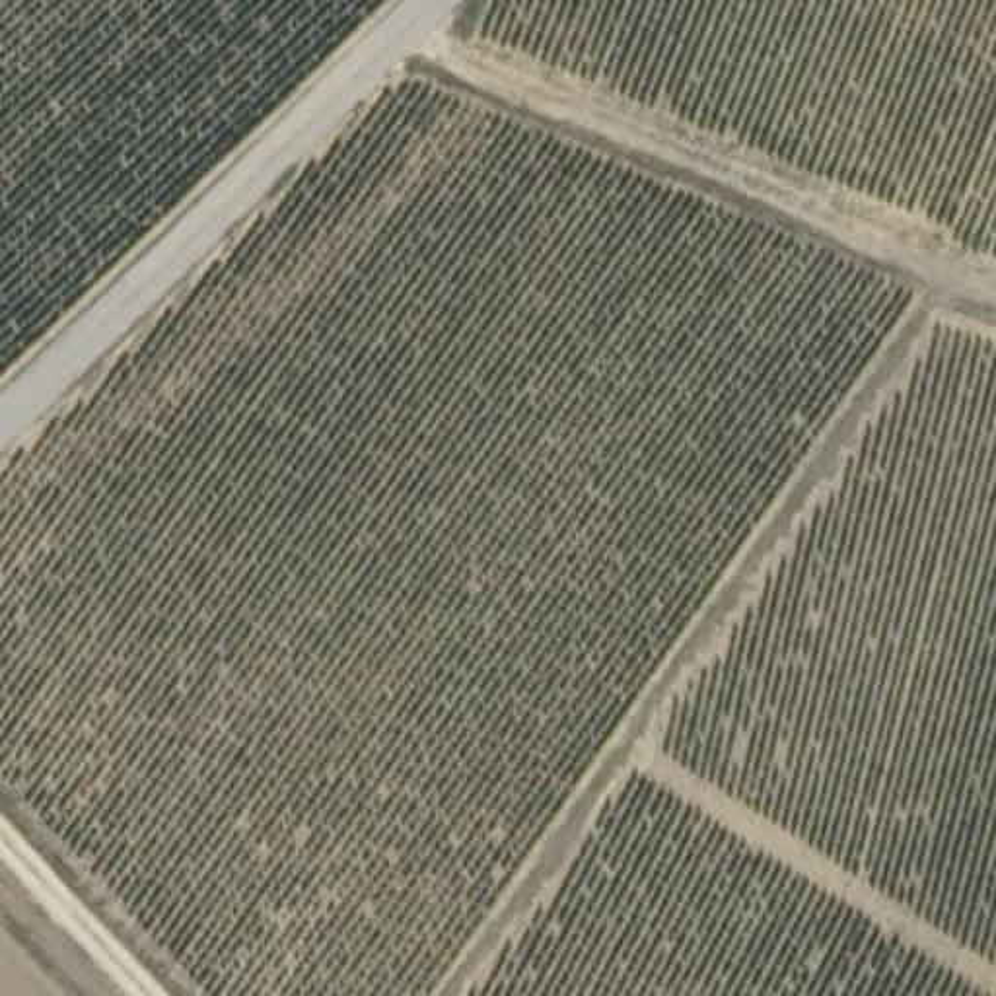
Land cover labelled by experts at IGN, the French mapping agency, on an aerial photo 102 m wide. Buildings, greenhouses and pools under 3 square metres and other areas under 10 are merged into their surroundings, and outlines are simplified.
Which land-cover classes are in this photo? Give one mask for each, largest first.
<instances>
[{"label":"vineyard","instance_id":"1","mask_svg":"<svg viewBox=\"0 0 996 996\"><path fill-rule=\"evenodd\" d=\"M385 0H0V374L35 338H43L58 323V315L70 311L86 296V288L97 284L226 152H233L272 109H280L296 93V86L307 74H315L335 54V47H342L362 27V19H370ZM451 35L459 39L486 35L521 47L533 58L572 70L580 78H607V89H619L642 105L669 97V109L700 128L739 132L751 148H763L794 167L879 195L907 210H926L930 218L945 222L965 249L996 257V0H463L451 23ZM346 136H335L331 148L307 167H284L261 195L257 218L241 214L226 226V261H214L210 268L202 261L191 265L160 296L152 311L132 319L74 381H66L51 409V420L43 424L31 447L0 451V813L51 864L66 891L156 977V996H440L436 973L447 969L459 945L482 922V914L494 907V899L510 887L514 872L572 794L591 755L611 739L646 677L658 669L681 626L689 623V615L712 591L728 560L739 552L743 537L751 533V525L763 517V510L774 502L794 463L809 451V440L825 424V416L848 393L856 374L872 362L875 346L910 300L914 276L895 261L856 253L759 198L739 195L728 183L704 179L689 167L665 163L638 148H623L572 121H552L521 101L486 89L444 70L432 58H409L401 86L381 89L374 105L358 101L350 109ZM661 751L689 766L696 778L712 782L716 790L770 817L774 825L798 833L821 856L836 860L844 872L864 875L887 899L903 903L907 910L953 934L961 945L977 949L984 961L996 965V342L949 327L934 331L930 350L914 366L907 393H895L891 409L875 420V428L864 432L860 455L848 459L840 490L798 533L794 556L782 560L778 572L766 580L759 607L743 615L724 661L708 665L696 677L693 696L673 704L661 739ZM479 996H977L957 973L942 969L922 949L903 945V938L891 934L883 938V930L856 907L821 891L782 860L755 852L704 809L681 801L673 790L638 774L603 809L599 829L584 840L552 903L537 910L521 942L502 945L490 980Z\"/></svg>","mask_w":996,"mask_h":996},{"label":"herbaceous vegetation","instance_id":"2","mask_svg":"<svg viewBox=\"0 0 996 996\"><path fill-rule=\"evenodd\" d=\"M467 62H475L479 74H494L486 89L521 101L552 121H572L623 148H638L665 163L689 167L704 179L728 183L739 195L759 198L856 253L895 261L914 276L910 300L875 346L872 362L856 374L848 393L825 416V424L809 440V451L794 463L774 502L763 510V517L751 525V533L743 537L739 552L728 560L712 591L689 615V623L681 626L658 669L646 677L611 739L591 755L572 794L514 872L510 887L494 899V907L482 914V922L459 945L447 969L436 973L440 996H479L490 980L502 945L521 942L537 910L552 903L584 840L599 829L603 809L638 774L673 790L681 801L704 809L755 852L782 860L821 891L856 907L883 930V938L891 934L903 938V945L922 949L942 969L957 973L977 996H996V965L984 961L977 949L961 945L953 934L907 910L903 903L887 899L864 875L844 872L836 860L821 856L798 833L774 825L770 817L716 790L712 782L696 778L689 766L661 751V739L673 704L693 696L696 677L708 665L724 661L743 615L759 607L766 580L778 572L782 560L794 556L798 533L840 490L848 459L860 455L864 432L875 428V420L891 409L895 393H907L914 366L930 350L934 331L949 327L996 342V257L965 249L945 222L930 218L926 210H907L879 195L794 167L763 148H751L739 132L700 128L669 109V97L642 105L619 89H607V78H580L572 70L533 58L521 47L486 35L459 39ZM0 926L51 977L54 988L47 996H121L109 973L47 914V907L0 860Z\"/></svg>","mask_w":996,"mask_h":996},{"label":"impervious surface","instance_id":"3","mask_svg":"<svg viewBox=\"0 0 996 996\"><path fill-rule=\"evenodd\" d=\"M463 0H385L370 19H362V27L342 47H335V54L315 74H307L296 86V93L280 109H272L233 152H226L97 284L86 288V296L70 311L58 315V323L43 338H35L0 374V451L31 447L43 424L51 420V409L66 381H74L132 319L152 311L160 296L191 265L202 261L210 268L214 261H226V226L241 214L257 218L261 195L284 167H307L331 148L335 136H346L350 109L358 101L374 105L381 89L401 86L409 58H432L444 70L486 89L494 74H479L475 62H467L459 39L451 35V23Z\"/></svg>","mask_w":996,"mask_h":996},{"label":"pervious surface","instance_id":"4","mask_svg":"<svg viewBox=\"0 0 996 996\"><path fill-rule=\"evenodd\" d=\"M0 860L47 907V914L109 973L121 996H156V977L66 891L51 864L0 813Z\"/></svg>","mask_w":996,"mask_h":996},{"label":"plowed land","instance_id":"5","mask_svg":"<svg viewBox=\"0 0 996 996\"><path fill-rule=\"evenodd\" d=\"M54 988L51 977L0 926V996H47Z\"/></svg>","mask_w":996,"mask_h":996}]
</instances>
